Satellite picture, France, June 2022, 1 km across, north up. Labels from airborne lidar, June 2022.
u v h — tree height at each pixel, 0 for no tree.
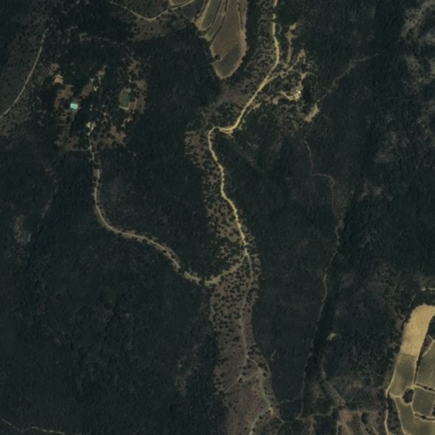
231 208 9
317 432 7
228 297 7
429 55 8
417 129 6
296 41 8
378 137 8
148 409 7
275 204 10
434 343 0
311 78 8
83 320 9
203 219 6
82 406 15
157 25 0
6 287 12
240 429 0
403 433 0
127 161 9
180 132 8
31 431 11
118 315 11
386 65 7
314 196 8
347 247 17
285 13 9
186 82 7
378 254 8
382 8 8
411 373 0
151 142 9
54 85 7
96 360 6
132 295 8
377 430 0
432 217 10
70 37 9
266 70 8
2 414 6
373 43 6
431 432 0
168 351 7
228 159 9
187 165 7
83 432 9
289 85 6
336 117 7
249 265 8
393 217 6
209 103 10
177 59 8
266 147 7
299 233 7
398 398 0
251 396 0
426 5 0
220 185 8
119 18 8
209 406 10
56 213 7
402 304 8
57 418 10
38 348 6
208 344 6
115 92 15
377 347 8
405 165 8
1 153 9
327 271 10
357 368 9
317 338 15
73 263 7
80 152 6
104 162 7
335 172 7
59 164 7
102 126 8
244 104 6
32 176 8
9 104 0
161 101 9
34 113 6
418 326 0
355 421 0
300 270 9
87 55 15
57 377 6
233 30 0
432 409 0
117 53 13
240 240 8
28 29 8
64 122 7
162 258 9
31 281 11
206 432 8
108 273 6
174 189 6
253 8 11
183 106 14
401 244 11
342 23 8
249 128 9
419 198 12
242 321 0
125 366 7
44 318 15
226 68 0
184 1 0
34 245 10
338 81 7
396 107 7
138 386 10
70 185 5
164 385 8
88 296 6
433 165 8
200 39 7
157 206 8
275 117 8
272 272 8
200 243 7
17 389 11
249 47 6
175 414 8
